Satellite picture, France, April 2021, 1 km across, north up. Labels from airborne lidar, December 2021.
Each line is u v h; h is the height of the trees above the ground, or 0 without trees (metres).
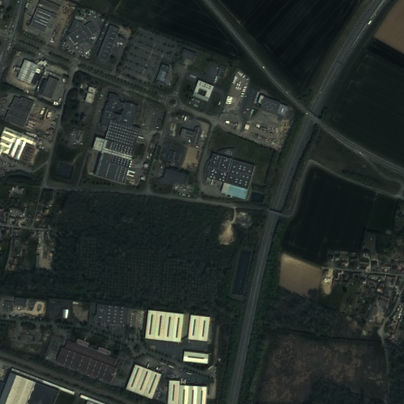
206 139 0
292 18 0
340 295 0
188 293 33
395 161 0
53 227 18
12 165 0
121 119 0
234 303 12
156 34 7
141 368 0
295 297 0
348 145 0
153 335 0
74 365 0
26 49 0
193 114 0
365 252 11
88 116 0
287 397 0
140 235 24
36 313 0
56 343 9
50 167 0
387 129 0
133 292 30
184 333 0
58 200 0
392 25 0
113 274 28
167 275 31
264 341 29
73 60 0
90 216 16
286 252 0
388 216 0
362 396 6
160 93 0
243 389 11
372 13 0
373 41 0
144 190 0
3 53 0
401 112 0
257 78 0
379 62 0
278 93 0
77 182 0
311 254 0
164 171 0
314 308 0
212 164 0
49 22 0
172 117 8
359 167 0
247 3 0
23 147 0
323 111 8
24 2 0
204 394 0
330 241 0
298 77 0
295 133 7
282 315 0
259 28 0
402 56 0
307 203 0
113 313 0
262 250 0
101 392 0
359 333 0
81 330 9
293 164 0
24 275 24
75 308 0
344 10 0
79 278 28
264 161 0
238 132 0
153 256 34
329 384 15
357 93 0
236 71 0
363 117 0
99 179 0
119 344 7
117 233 23
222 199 7
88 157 0
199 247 11
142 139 0
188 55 0
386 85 0
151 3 0
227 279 17
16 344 0
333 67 0
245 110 0
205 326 0
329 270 0
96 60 0
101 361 0
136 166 0
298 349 0
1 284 18
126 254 31
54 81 0
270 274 9
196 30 0
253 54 0
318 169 0
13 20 0
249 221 0
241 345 0
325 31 0
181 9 0
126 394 18
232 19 0
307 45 0
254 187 9
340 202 0
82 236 32
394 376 9
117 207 8
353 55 0
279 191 0
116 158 0
